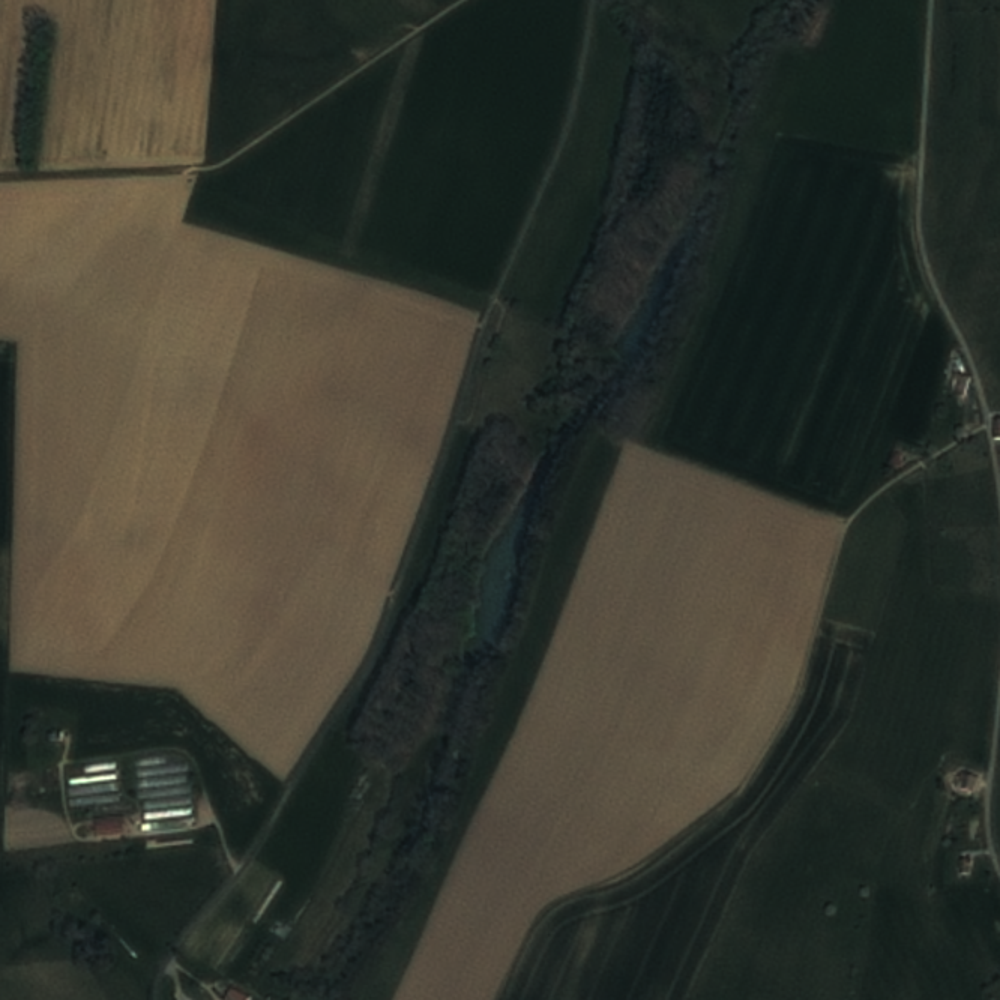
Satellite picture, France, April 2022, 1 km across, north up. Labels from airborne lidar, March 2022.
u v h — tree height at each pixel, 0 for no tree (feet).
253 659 0
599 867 0
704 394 0
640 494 0
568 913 0
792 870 0
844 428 0
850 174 0
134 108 0
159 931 0
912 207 0
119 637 0
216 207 0
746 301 0
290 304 0
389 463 0
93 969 68
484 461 81
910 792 0
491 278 0
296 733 0
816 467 0
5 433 0
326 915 0
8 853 0
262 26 0
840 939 0
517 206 0
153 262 0
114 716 0
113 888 0
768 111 0
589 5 0
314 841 0
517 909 0
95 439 0
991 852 0
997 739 0
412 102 0
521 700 0
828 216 0
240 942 0
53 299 0
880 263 0
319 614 0
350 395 0
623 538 0
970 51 0
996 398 0
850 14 0
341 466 0
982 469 0
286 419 0
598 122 0
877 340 0
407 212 0
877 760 0
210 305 0
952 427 0
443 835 79
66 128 0
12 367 0
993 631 0
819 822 0
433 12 0
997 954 0
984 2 0
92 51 0
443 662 108
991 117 0
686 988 0
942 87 0
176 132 0
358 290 0
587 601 0
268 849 0
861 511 0
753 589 0
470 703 113
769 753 0
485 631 0
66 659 0
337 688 0
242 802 0
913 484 0
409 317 0
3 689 0
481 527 107
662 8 0
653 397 95
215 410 0
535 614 0
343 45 0
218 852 0
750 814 0
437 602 86
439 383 0
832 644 0
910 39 0
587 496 0
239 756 0
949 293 0
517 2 0
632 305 94
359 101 0
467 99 0
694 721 0
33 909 0
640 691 0
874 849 0
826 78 0
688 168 86
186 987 0
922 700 0
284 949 0
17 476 0
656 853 0
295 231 0
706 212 35
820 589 0
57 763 0
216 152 0
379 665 0
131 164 0
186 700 0
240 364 0
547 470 0
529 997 0
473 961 0
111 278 0
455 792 68
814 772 0
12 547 0
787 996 0
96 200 0
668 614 0
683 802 0
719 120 0
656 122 93
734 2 0
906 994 0
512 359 0
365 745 71
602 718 0
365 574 0
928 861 0
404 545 0
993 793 0
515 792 0
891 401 0
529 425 0
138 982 0
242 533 0
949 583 0
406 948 0
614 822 0
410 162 0
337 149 0
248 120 0
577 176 0
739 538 0
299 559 0
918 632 0
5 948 0
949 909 0
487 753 0
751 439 0
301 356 0
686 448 0
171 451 0
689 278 108
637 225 102
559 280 0
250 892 0
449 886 0
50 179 0
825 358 0
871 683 0
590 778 0
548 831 0
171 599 0
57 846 0
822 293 0
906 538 0
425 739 99
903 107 0
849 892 0
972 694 0
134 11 0
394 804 27
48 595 0
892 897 0
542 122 0
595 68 0
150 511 0
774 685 0
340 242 0
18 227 0
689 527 0
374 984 0
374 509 0
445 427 0
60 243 0
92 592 0
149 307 0
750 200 0
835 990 0
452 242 0
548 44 0
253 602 0
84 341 0
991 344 0
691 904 0
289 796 0
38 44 58
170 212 0
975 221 0
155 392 0
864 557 0
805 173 0
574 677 0
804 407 0
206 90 0
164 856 0
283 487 0
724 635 0
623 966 0
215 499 0
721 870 0
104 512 0
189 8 0
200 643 0
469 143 0
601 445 0
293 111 0
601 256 75
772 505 0
